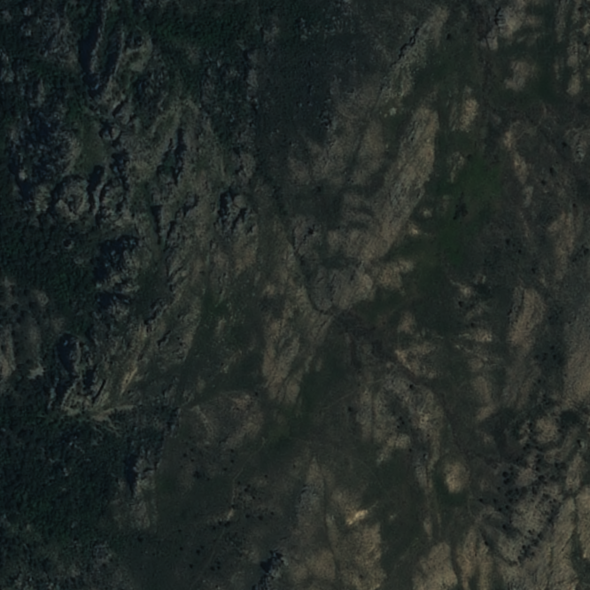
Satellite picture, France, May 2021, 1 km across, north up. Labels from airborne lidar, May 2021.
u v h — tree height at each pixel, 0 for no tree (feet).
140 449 24
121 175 27
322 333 0
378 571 0
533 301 0
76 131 31
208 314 0
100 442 23
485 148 0
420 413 0
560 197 0
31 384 21
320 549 0
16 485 53
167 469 0
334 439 0
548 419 0
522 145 0
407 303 0
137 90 20
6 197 31
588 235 0
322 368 0
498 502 25
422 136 0
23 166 23
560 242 0
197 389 0
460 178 0
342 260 0
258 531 0
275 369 0
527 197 0
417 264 0
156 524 0
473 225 0
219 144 23
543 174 0
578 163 0
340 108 0
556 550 0
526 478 0
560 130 0
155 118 23
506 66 0
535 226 0
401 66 0
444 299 0
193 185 0
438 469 0
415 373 0
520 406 0
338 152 0
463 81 0
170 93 33
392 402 0
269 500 0
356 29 0
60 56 20
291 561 0
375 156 0
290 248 0
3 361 0
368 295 0
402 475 0
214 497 0
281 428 0
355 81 0
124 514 0
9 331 0
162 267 0
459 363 0
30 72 50
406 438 0
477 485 0
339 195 0
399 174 0
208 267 0
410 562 0
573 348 0
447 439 0
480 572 0
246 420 0
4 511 20
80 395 46
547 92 0
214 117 23
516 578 0
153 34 30
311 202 0
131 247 34
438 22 0
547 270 0
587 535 0
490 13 0
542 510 0
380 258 0
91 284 21
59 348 29
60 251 25
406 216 0
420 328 0
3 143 24
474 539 0
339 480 0
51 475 28
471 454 0
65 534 39
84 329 27
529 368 0
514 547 0
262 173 28
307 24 22
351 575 0
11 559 30
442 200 0
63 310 20
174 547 0
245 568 0
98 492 24
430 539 0
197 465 0
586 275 0
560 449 0
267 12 26
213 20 25
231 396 0
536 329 0
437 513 0
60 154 33
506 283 0
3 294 28
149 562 0
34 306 47
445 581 0
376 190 0
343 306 0
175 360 0
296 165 0
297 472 0
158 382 0
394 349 0
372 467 0
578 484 0
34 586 26
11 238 29
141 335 0
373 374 0
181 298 0
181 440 0
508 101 0
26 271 37
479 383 0
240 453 0
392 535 0
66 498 44
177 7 19
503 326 0
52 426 34
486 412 0
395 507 0
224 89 20
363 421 0
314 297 0
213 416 0
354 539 0
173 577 0
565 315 0
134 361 0
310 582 0
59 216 27
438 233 0
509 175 0
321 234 0
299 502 0
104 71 38
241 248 0
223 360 0
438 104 0
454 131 0
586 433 0
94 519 24
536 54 0
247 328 0
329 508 0
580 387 0
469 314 0
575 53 0
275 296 0
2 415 52
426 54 0
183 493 0
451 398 0
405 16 0
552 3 0
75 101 30
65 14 22
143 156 22
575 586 0
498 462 0
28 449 20
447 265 0
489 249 0
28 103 29
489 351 0
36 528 18
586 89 0
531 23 0
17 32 38
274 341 0
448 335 0
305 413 0
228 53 19
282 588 0
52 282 31
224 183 19
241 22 25
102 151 0
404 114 0
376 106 0
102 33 22
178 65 21
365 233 0
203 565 0
